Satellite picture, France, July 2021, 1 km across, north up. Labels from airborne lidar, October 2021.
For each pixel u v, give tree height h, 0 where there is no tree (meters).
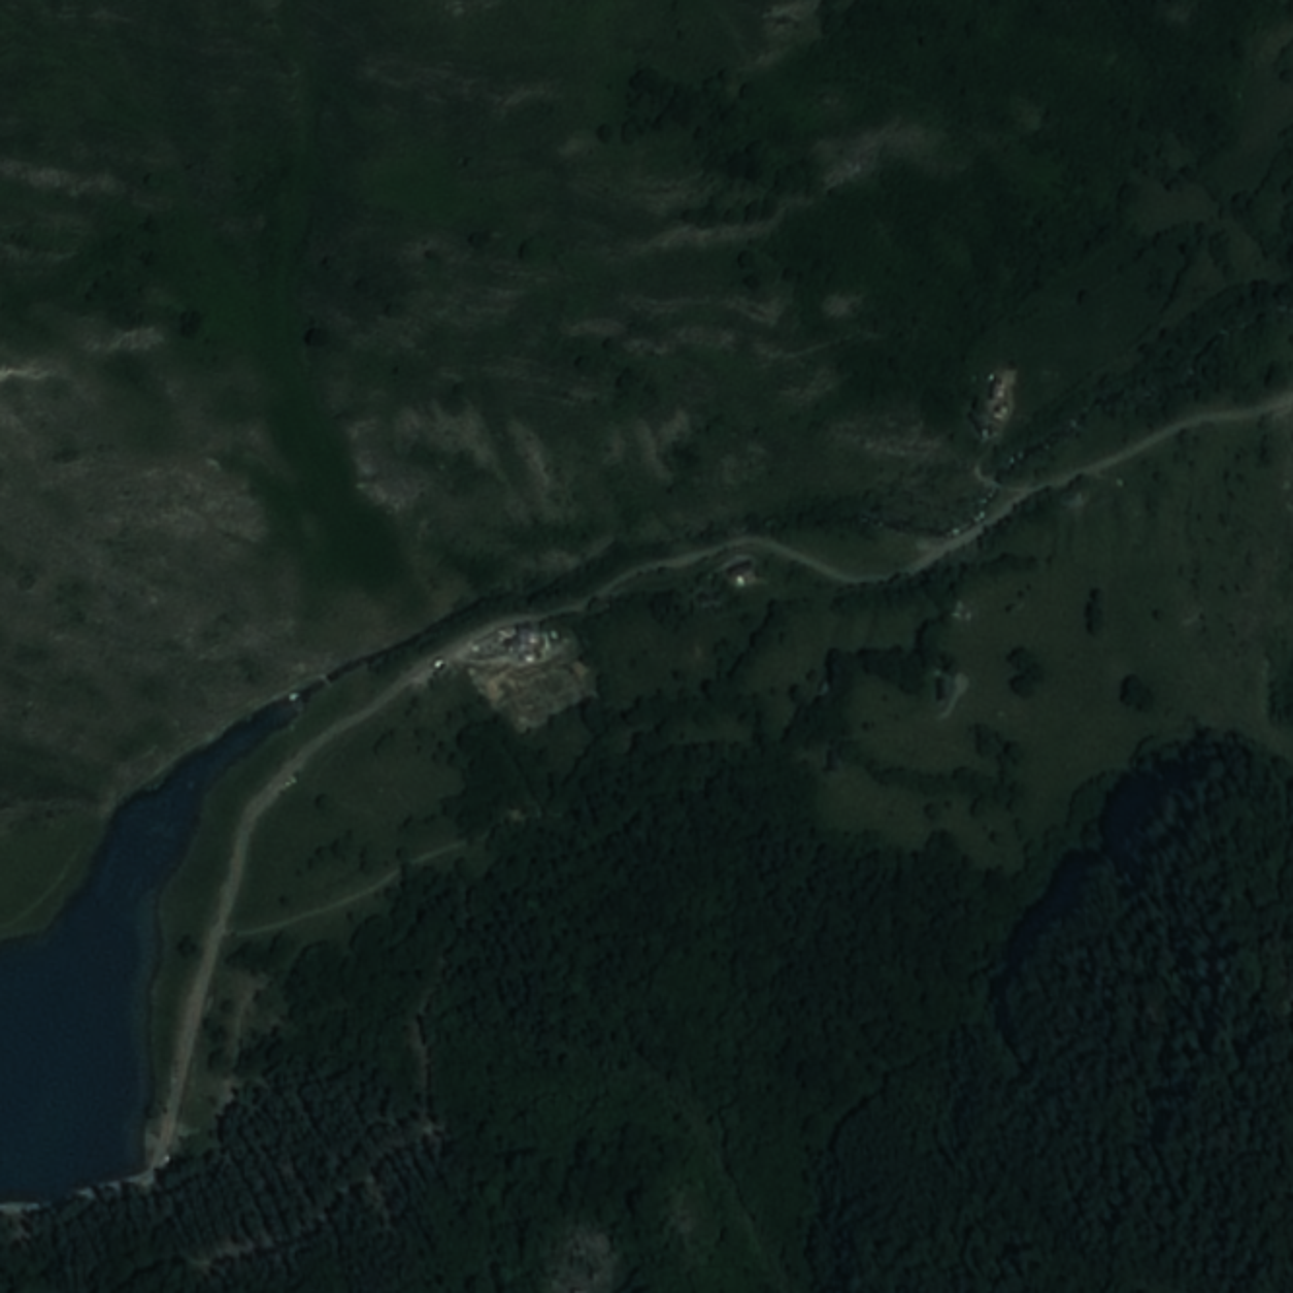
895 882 13
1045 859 11
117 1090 0
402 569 0
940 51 8
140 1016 0
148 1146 0
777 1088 13
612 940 13
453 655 0
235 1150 24
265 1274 26
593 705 14
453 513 0
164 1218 25
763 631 7
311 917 0
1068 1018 24
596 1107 7
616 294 0
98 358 0
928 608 0
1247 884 25
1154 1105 6
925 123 6
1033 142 7
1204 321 12
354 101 0
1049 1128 24
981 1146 9
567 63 0
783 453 0
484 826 8
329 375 0
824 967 19
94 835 0
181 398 0
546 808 7
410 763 0
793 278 15
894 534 0
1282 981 13
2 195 0
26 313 0
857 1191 24
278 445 0
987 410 9
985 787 10
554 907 15
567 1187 18
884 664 23
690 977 8
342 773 0
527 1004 15
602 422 0
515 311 0
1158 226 0
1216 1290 15
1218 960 7
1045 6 9
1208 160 7
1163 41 8
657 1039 15
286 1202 25
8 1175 0
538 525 10
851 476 0
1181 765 13
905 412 0
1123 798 16
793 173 14
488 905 9
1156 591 0
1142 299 0
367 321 0
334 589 0
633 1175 12
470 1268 8
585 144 0
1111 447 0
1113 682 0
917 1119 8
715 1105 7
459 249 0
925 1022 8
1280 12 8
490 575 6
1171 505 0
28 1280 22
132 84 0
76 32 0
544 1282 6
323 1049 7
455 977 10
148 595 0
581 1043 12
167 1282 19
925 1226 29
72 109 0
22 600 0
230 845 0
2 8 0
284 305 0
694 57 0
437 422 0
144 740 0
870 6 14
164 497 0
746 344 0
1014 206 7
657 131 7
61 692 0
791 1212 7
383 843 0
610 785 12
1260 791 25
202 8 0
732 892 10
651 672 0
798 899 22
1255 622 0
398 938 12
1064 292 0
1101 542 0
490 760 9
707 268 0
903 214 6
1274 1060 18
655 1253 6
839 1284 15
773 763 8
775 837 22
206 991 0
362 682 0
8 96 0
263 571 0
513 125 0
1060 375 0
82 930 0
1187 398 8
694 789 8
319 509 0
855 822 0
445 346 0
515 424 0
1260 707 0
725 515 0
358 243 0
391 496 0
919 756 0
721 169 13
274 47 0
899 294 11
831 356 9
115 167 0
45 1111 0
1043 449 6
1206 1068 30
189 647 0
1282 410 0
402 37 0
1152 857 15
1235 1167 21
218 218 0
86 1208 24
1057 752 0
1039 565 13
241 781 0
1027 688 17
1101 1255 19
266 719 0
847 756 10
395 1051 17
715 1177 7
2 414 0
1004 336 0
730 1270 10
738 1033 12
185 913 0
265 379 0
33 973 0
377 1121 24
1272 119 0
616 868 12
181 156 0
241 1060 8
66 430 0
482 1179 8
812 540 0
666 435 0
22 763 0
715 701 18
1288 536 0
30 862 0
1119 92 8
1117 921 22
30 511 0
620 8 0
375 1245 15
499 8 0
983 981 23
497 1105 10
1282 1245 22
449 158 0
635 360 0
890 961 17
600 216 0
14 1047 0
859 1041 9
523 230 0
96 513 0
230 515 0
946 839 14
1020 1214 12
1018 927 9
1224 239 9
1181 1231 25
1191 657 0
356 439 0
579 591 9
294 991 15
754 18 0
